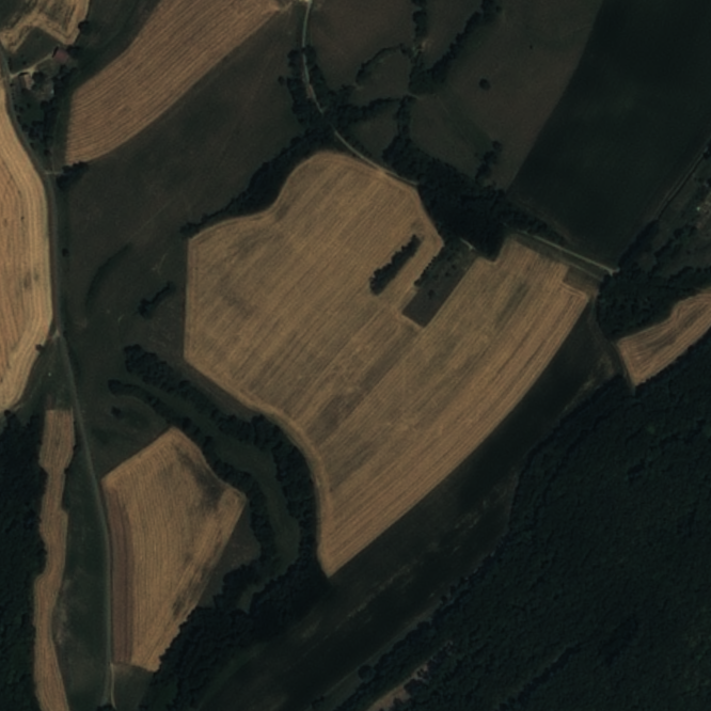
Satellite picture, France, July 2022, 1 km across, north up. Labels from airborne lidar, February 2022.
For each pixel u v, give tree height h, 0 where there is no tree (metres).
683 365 21
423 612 0
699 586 16
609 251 0
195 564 0
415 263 0
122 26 0
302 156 9
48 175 0
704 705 15
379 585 0
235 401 0
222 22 0
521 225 19
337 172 0
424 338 0
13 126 0
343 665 0
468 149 0
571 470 22
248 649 20
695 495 20
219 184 0
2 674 22
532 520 11
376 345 0
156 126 0
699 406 24
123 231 0
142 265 0
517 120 0
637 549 18
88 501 0
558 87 0
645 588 22
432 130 0
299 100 19
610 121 0
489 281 0
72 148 0
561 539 23
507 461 0
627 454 17
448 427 0
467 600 23
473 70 0
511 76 0
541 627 21
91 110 0
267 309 0
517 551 26
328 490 0
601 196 0
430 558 0
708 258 0
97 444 0
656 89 0
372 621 0
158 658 0
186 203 0
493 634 24
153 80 0
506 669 21
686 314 0
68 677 0
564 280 0
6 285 0
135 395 7
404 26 0
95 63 0
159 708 0
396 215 0
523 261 0
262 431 22
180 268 0
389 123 0
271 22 0
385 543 0
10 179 0
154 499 0
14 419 17
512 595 23
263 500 25
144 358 10
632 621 11
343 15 0
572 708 19
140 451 0
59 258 0
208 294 0
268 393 0
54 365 0
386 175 0
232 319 0
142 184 0
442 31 0
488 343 0
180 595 0
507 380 0
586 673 19
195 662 21
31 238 0
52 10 0
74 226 0
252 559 0
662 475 17
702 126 0
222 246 0
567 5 0
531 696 20
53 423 0
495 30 0
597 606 21
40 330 0
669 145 0
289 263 0
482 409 0
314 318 0
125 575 0
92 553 0
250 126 0
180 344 0
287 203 0
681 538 20
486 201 20
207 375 0
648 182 0
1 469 14
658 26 0
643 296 13
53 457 0
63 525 0
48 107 13
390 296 0
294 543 0
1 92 0
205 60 0
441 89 0
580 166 0
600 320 9
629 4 0
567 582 20
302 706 0
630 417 26
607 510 19
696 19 0
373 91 0
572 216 0
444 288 0
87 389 0
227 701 0
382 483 0
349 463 0
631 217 0
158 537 0
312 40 0
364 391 0
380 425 0
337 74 0
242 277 0
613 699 19
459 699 21
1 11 0
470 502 0
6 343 0
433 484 0
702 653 16
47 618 0
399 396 0
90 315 0
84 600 0
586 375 0
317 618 0
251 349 0
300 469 26
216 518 0
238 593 22
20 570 20
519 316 0
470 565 0
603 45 0
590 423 16
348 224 0
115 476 0
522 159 0
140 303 0
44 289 0
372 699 19
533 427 0
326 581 12
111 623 0
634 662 23
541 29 0
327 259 0
